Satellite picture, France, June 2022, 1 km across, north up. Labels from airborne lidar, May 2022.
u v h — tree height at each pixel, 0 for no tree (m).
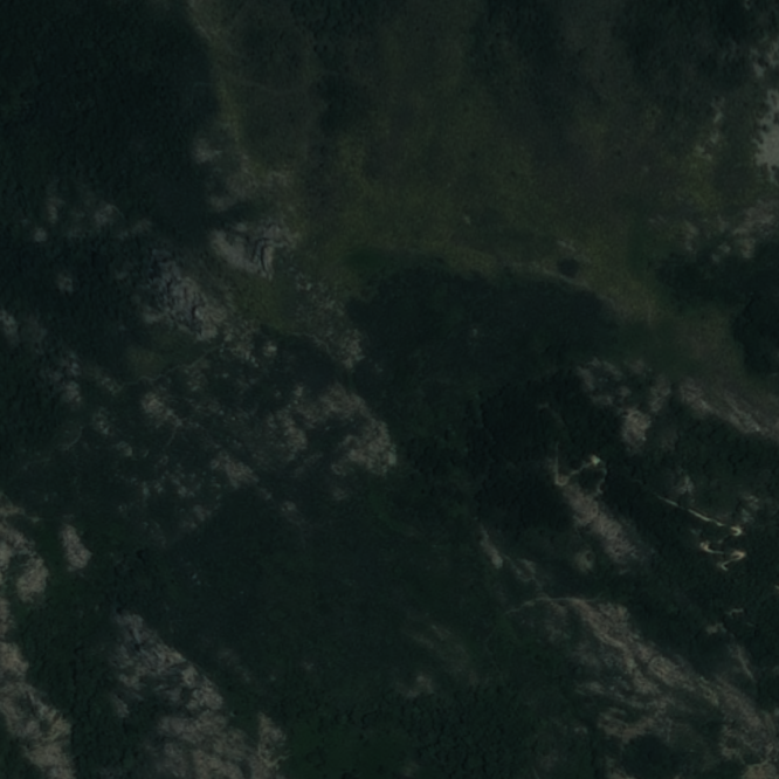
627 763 8
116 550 6
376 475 0
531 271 0
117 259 6
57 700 13
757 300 15
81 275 7
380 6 8
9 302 14
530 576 0
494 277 0
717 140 0
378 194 0
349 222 0
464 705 13
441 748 13
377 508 0
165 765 0
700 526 8
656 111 6
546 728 10
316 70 0
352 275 0
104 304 6
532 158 0
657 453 11
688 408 10
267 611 0
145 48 10
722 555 9
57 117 13
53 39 13
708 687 0
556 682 8
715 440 15
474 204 0
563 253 0
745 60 8
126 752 13
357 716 18
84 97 10
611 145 0
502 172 0
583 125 0
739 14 17
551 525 9
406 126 0
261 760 0
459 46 0
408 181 0
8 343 8
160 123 10
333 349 0
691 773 6
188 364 0
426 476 7
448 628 0
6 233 12
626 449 7
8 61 14
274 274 0
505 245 0
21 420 8
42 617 11
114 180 9
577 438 13
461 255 0
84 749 12
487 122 0
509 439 17
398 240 0
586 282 0
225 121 0
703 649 8
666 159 0
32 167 15
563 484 0
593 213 0
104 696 6
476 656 0
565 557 0
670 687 0
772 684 16
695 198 0
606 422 18
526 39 6
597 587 8
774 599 19
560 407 12
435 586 0
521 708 14
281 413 0
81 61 8
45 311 8
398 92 0
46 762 0
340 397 0
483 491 11
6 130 14
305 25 7
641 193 0
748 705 0
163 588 12
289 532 0
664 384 0
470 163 0
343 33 8
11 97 13
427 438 6
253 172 0
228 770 0
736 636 9
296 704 12
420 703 15
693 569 20
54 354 10
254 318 0
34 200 13
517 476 14
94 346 7
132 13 9
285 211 0
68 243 18
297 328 0
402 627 0
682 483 7
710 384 0
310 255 0
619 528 0
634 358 0
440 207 0
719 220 0
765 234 0
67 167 10
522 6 5
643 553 0
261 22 7
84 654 15
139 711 9
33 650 13
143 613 6
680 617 15
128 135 6
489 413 16
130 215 9
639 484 14
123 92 12
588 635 0
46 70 17
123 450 7
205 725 0
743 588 17
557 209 0
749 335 14
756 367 11
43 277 17
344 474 0
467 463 12
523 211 0
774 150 0
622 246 0
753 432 0
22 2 12
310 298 0
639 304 0
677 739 0
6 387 17
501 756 14
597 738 7
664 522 17
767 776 0
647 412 6
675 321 0
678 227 0
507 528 8
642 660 0
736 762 0
